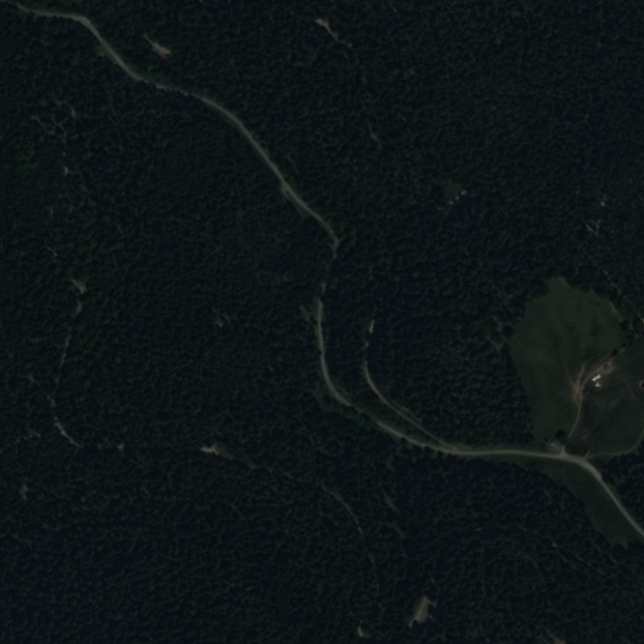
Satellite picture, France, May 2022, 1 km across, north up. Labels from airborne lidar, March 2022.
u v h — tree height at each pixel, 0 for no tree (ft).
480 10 98
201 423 104
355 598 94
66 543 113
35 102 70
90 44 75
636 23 95
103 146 74
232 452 79
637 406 0
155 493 103
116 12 98
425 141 111
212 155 68
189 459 75
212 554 80
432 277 69
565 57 95
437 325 114
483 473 109
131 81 45
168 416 100
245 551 88
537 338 0
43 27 72
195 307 66
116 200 118
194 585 96
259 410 109
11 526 77
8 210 58
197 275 74
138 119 72
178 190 79
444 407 124
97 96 50
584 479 0
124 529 110
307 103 63
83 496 105
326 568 87
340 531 50
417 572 79
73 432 50
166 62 27
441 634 78
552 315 0
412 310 98
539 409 0
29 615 129
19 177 62
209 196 68
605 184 75
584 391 0
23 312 68
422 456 40
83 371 49
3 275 48
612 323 0
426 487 117
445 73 107
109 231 45
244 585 108
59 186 25
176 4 78
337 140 66
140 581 119
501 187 106
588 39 108
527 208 43
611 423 0
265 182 98
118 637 123
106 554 93
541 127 115
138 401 101
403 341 117
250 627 115
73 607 110
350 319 95
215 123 84
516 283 111
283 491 105
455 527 46
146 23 68
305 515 104
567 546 85
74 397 43
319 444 97
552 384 0
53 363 54
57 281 30
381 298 91
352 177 71
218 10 118
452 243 52
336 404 54
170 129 93
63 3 89
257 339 82
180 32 66
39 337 71
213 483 57
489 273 27
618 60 112
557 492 112
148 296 71
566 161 61
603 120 97
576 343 0
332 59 104
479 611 98
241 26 107
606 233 101
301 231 81
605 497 0
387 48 98
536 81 96
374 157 59
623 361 0
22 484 33
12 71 53
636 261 105
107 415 91
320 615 98
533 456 0
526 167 121
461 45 112
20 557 115
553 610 95
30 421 68
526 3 111
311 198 74
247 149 70
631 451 0
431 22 109
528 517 64
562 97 21
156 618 94
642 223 39
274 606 96
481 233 114
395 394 73
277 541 94
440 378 84
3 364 53
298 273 81
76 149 50
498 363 103
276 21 102
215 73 85
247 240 42
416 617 0
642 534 0
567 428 0
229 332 67
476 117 111
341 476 105
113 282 39
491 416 111
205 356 64
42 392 57
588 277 37
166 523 86
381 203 118
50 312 44
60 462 45
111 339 51
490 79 88
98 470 102
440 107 104
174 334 98
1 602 119
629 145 105
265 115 138
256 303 88
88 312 34
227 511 98
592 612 101
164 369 103
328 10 36
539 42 98
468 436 73
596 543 110
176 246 110
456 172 100
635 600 107
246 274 69
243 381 63
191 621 102
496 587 62
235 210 64
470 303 94
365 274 121
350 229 98
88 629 128
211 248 37
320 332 0
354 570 110
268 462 101
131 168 64
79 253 31
